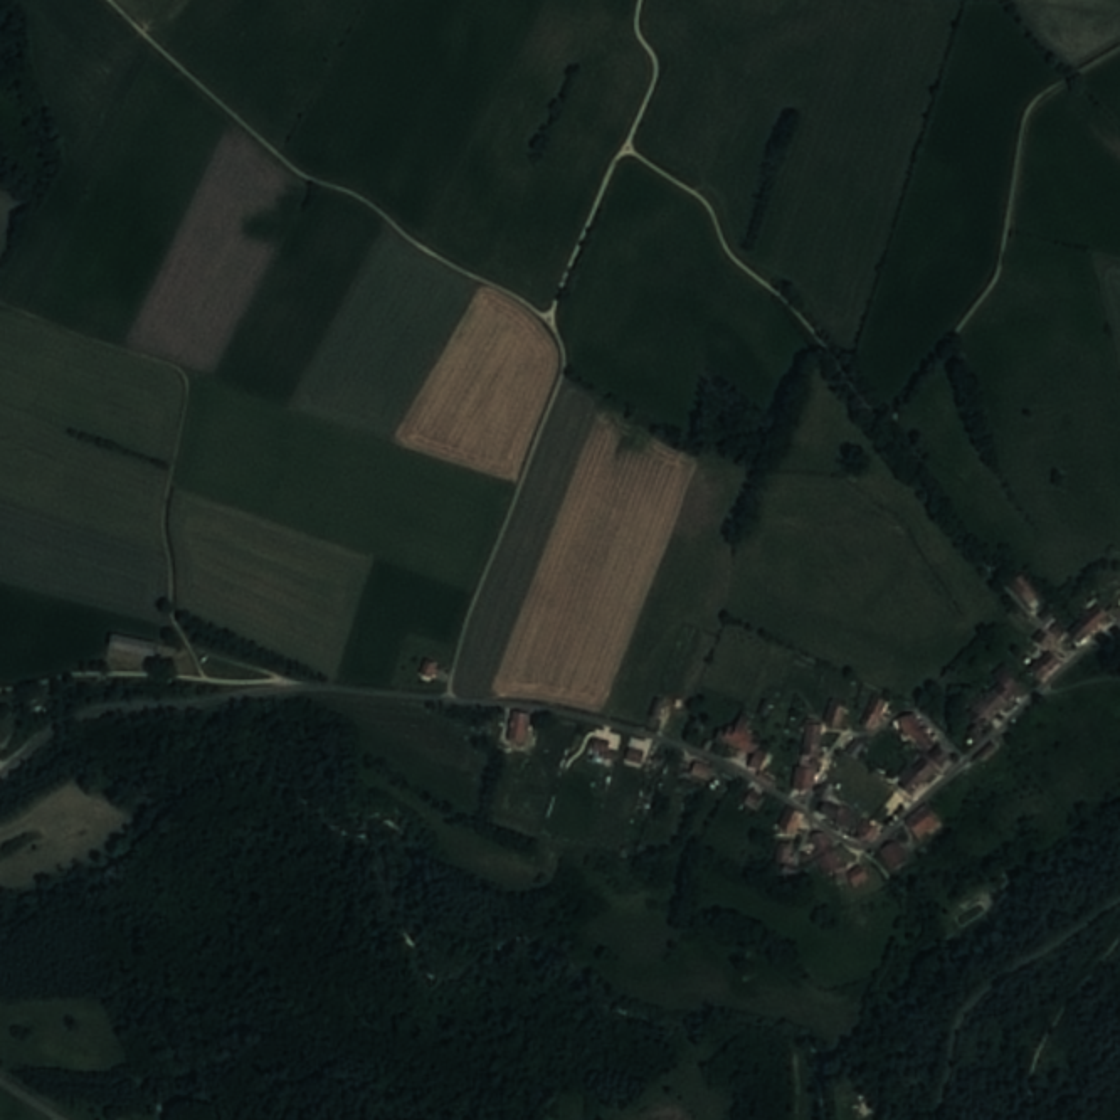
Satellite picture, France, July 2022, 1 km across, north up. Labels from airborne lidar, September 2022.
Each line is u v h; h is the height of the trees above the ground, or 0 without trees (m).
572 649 0
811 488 0
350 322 0
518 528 0
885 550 0
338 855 16
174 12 0
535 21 0
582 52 0
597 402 0
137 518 0
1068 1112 19
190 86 0
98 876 18
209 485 0
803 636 0
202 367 0
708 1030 8
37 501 0
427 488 0
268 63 0
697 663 0
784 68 0
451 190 0
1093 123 0
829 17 0
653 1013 10
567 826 0
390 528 0
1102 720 0
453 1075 13
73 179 0
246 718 24
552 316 0
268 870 17
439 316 0
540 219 0
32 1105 0
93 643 0
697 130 0
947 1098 9
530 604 0
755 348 0
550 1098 29
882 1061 6
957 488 0
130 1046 7
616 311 0
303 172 0
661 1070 7
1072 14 0
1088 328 0
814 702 0
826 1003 0
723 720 0
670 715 0
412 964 18
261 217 0
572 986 8
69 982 17
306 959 14
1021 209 0
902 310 0
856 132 0
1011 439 0
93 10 0
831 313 0
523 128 0
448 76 0
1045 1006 11
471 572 0
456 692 0
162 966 8
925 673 0
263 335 0
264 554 0
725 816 0
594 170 0
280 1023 12
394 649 0
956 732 14
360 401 0
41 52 0
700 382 0
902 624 0
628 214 0
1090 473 0
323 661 0
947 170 0
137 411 0
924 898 9
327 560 0
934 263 0
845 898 0
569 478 0
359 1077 18
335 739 23
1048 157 0
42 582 0
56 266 0
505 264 0
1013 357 0
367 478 0
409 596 0
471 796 0
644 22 0
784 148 22
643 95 0
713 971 0
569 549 0
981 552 20
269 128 0
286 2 0
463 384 0
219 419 0
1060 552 0
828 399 0
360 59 0
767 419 22
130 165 0
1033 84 0
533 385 0
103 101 0
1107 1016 16
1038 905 14
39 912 9
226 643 9
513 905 19
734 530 19
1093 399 0
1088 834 15
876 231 0
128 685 12
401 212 0
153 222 0
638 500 0
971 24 0
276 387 0
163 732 11
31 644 0
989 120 0
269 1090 9
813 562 0
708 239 0
